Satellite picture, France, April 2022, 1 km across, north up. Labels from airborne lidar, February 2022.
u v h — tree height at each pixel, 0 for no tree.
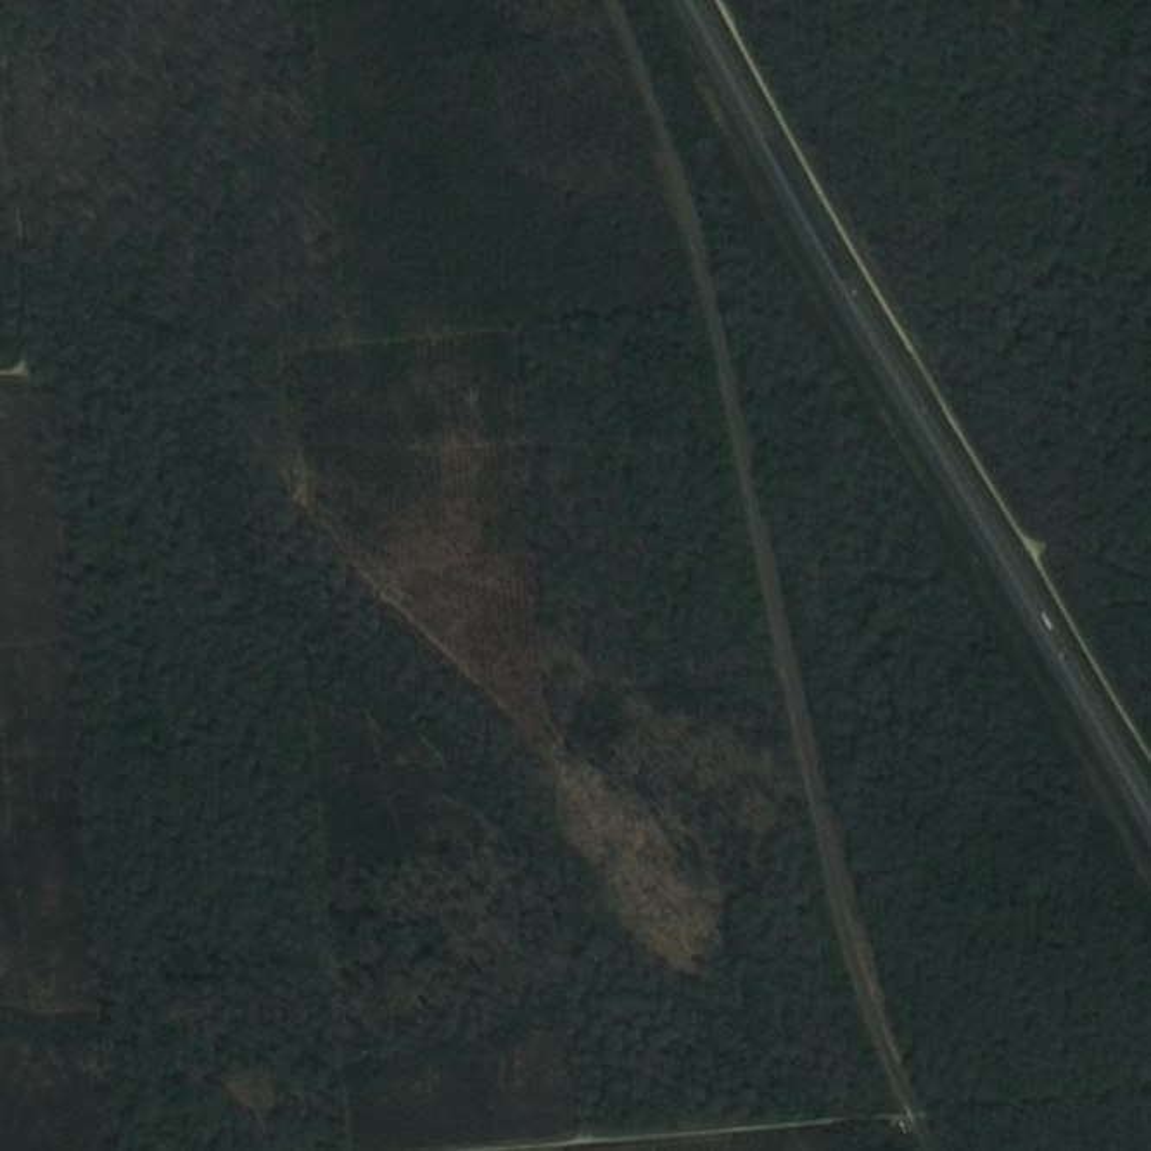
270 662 23
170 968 19
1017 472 21
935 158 24
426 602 0
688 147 14
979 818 24
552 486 23
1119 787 0
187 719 23
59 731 0
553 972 24
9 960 0
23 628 0
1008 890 23
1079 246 23
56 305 24
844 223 0
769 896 22
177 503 26
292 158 25
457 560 0
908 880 25
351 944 22
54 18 24
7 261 19
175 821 21
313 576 22
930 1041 19
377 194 12
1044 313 24
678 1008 23
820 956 22
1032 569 0
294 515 19
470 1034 21
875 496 22
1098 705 0
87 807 24
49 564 0
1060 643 0
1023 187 23
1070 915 23
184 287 26
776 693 21
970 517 0
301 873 21
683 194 0
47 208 23
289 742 22
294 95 27
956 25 26
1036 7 24
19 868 0
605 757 20
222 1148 17
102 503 25
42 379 26
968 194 23
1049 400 22
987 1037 23
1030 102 24
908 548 10
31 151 28
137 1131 22
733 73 0
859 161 22
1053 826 25
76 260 24
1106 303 26
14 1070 0
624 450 24
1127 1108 22
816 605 26
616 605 24
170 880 24
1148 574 14
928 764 25
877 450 21
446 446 0
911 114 21
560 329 22
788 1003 23
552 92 17
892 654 23
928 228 23
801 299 17
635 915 0
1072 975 22
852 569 23
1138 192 20
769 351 27
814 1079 23
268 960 19
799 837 22
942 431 0
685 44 0
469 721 20
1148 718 26
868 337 0
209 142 27
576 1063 23
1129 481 25
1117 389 27
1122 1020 23
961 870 22
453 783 7
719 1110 23
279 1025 21
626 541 25
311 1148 23
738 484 17
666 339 24
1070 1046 20
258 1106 0
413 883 18
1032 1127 21
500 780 20
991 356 26
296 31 27
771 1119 24
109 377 23
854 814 25
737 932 19
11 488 0
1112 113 28
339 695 16
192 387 20
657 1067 26
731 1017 21
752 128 0
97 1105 0
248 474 23
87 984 0
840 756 21
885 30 28
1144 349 27
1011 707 25
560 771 0
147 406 25
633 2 14
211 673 25
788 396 20
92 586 27
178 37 28
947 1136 23
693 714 17
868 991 0
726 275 25
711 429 22
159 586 26
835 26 24
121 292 19
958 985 21
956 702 24
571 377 23
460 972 21
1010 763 23
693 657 19
